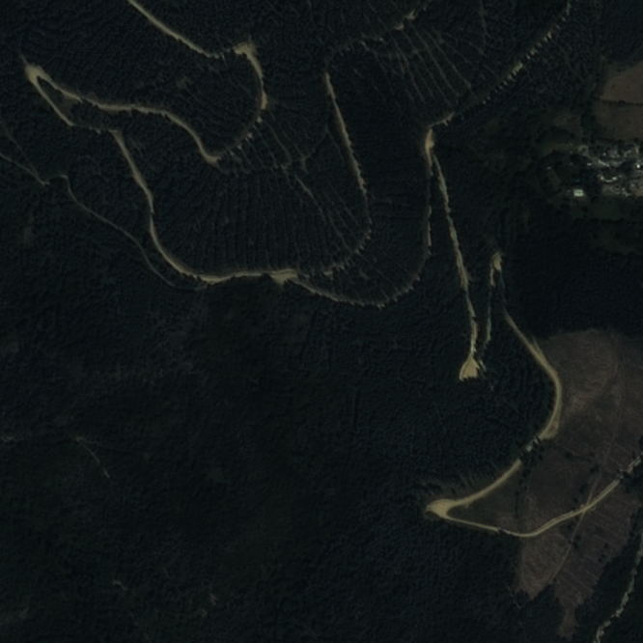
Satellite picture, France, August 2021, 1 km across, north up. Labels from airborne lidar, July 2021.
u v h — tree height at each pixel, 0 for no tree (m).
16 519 17
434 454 19
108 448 9
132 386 9
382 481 19
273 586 13
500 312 15
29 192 10
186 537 16
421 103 22
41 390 12
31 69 0
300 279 15
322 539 10
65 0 20
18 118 17
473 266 12
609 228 17
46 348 10
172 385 11
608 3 11
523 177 13
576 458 12
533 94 18
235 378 13
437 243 14
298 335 8
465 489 18
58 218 10
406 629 21
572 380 0
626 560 15
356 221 9
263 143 15
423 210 17
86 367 11
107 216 18
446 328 19
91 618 15
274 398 16
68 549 12
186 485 23
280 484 14
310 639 10
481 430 15
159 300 13
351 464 11
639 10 14
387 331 17
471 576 15
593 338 0
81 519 13
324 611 9
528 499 0
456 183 13
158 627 14
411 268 15
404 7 15
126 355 9
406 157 17
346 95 19
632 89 0
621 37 13
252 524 19
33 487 12
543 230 14
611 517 0
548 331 15
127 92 17
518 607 6
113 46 19
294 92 17
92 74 16
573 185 10
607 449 0
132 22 26
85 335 11
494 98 21
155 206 13
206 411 9
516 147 9
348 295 14
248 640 18
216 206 15
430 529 17
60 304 13
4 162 17
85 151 13
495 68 22
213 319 11
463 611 8
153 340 11
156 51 18
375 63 21
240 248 17
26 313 18
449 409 18
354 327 19
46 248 15
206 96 20
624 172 8
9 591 13
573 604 0
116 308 15
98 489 14
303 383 9
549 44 16
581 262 22
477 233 13
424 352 17
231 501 16
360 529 14
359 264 16
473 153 12
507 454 18
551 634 11
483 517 0
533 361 17
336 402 9
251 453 17
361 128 20
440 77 20
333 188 17
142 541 17
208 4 17
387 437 16
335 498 15
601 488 0
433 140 0
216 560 11
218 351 10
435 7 19
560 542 0
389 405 17
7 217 17
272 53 18
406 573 12
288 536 13
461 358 17
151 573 17
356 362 17
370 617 13
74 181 19
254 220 15
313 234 15
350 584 15
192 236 17
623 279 21
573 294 21
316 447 16
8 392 14
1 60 11
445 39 16
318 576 14
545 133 11
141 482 19
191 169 18
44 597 19
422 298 17
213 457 13
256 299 16
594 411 0
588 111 12
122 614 7
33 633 12
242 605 21
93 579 17
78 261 17
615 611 11
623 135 0
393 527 22
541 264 24
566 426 0
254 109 15
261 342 12
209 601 11
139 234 21
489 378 17
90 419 9
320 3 15
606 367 0
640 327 24
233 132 17
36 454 16
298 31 20
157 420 13
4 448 10
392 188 15
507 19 20
